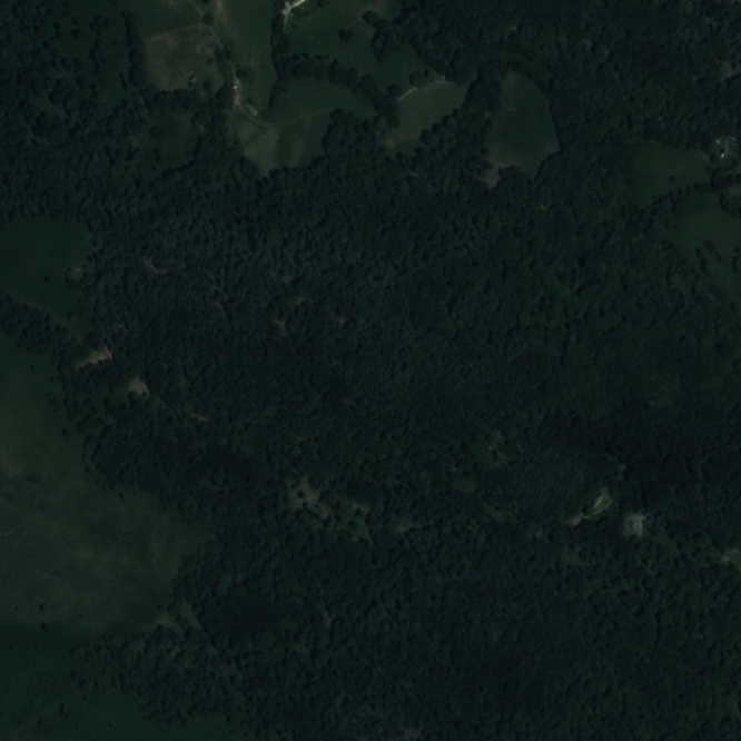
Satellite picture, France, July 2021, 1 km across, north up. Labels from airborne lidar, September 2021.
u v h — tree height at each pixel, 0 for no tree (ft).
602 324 90
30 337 58
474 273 98
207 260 74
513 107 0
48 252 0
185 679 36
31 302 0
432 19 105
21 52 54
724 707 109
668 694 78
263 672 88
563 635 56
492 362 69
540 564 91
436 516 67
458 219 58
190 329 57
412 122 0
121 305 69
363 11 0
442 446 76
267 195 72
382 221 68
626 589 87
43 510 0
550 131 0
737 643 106
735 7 47
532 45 45
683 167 0
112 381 55
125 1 39
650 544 103
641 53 85
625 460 96
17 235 0
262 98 0
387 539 101
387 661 42
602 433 125
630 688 124
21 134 59
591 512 78
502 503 67
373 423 72
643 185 0
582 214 109
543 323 75
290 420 70
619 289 81
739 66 76
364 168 52
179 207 64
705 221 0
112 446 96
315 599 51
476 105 75
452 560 71
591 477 88
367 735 73
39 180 87
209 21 36
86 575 0
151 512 0
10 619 0
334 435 84
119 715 0
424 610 78
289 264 87
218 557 65
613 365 79
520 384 73
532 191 79
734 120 44
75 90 25
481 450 0
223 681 45
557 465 53
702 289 89
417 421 78
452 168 73
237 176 72
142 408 66
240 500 78
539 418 86
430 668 45
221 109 52
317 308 60
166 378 75
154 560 0
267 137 0
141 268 75
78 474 0
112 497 0
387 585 85
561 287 104
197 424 69
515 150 0
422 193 77
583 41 72
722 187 101
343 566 52
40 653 0
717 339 77
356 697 72
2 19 73
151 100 60
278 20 41
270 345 79
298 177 59
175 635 61
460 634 96
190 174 74
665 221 104
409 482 100
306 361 73
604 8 24
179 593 37
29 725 0
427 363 52
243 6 0
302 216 80
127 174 46
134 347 73
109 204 80
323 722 52
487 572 84
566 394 69
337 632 64
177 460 87
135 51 42
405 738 67
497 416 78
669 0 48
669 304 97
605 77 98
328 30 0
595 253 87
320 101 0
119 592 0
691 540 88
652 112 78
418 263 96
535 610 52
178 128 0
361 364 61
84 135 77
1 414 0
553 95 70
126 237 56
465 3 58
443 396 74
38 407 0
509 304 105
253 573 46
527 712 62
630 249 88
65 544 0
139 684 24
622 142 89
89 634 0
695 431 112
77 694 0
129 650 51
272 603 56
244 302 86
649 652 78
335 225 72
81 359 26
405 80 0
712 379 99
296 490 49
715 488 112
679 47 79
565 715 90
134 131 52
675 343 101
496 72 57
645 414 89
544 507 60
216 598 60
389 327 69
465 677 83
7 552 0
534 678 66
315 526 65
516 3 74
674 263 96
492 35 68
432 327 81
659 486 100
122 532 0
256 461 58
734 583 108
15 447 0
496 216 70
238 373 60
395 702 31
